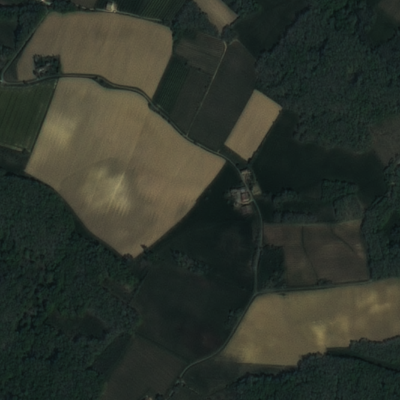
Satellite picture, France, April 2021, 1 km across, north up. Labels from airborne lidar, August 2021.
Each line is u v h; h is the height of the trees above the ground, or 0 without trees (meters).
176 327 0
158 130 0
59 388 18
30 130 0
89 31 0
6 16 13
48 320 13
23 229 20
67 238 16
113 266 22
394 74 24
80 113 0
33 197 18
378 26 0
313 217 17
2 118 0
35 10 25
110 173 0
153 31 0
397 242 12
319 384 23
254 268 13
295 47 24
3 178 17
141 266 0
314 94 20
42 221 17
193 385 0
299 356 0
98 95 0
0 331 23
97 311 21
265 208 0
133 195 0
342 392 21
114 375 0
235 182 0
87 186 0
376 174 0
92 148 0
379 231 17
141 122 0
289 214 18
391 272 21
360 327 0
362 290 0
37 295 22
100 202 0
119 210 0
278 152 0
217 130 0
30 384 24
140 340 0
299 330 0
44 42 0
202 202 0
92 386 22
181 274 0
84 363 24
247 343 0
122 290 0
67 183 0
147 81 0
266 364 0
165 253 0
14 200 21
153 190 0
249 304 0
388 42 11
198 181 0
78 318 16
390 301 0
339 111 15
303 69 24
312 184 0
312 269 0
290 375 19
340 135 19
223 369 0
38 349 25
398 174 17
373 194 0
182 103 0
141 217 0
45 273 16
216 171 0
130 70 0
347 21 27
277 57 21
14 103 0
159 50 0
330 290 0
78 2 0
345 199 18
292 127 0
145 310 0
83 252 15
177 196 0
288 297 0
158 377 0
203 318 0
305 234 0
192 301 0
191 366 0
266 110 0
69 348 22
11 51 15
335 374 21
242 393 20
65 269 28
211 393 0
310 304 0
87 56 0
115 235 0
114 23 0
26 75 0
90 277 21
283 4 0
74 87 0
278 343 0
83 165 0
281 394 23
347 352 0
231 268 0
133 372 0
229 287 0
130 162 0
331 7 25
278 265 7
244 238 0
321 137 20
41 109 0
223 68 0
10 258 19
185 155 0
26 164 0
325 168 0
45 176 0
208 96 0
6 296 20
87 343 19
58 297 25
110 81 0
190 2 16
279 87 20
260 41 0
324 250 0
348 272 0
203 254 0
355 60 23
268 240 0
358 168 0
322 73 22
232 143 0
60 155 0
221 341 0
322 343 0
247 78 0
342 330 0
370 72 21
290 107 15
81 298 17
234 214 0
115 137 0
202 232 0
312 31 21
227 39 15
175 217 0
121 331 19
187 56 0
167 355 0
